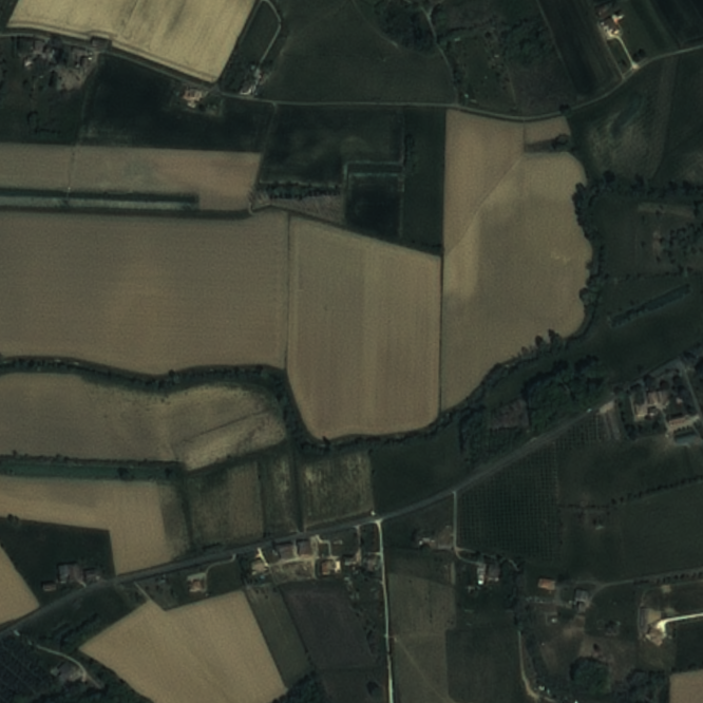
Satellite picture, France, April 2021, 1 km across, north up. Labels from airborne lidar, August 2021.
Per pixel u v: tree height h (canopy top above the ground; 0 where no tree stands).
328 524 0
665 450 0
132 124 0
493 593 0
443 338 0
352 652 0
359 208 0
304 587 0
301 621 0
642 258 0
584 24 0
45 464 9
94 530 0
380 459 0
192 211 0
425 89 0
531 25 14
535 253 0
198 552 0
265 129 0
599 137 0
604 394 21
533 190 0
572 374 23
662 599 0
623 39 0
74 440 0
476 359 0
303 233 0
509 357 0
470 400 9
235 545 0
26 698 14
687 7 0
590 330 12
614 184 24
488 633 0
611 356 0
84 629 10
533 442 0
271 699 0
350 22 0
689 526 0
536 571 0
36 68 10
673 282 0
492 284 0
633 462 0
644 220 9
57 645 6
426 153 0
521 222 0
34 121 9
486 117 0
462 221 0
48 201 0
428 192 0
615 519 0
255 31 0
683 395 15
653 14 0
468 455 13
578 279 0
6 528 0
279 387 10
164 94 0
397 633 0
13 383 0
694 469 0
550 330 0
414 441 16
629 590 0
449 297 0
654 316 0
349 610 0
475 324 0
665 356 0
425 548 10
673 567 0
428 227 0
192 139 0
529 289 0
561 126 0
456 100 0
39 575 0
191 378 11
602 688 20
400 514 0
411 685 0
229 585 0
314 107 0
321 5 0
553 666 0
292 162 0
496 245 0
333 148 0
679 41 0
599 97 0
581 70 0
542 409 20
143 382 9
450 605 0
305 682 9
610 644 0
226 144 0
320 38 0
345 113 0
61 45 16
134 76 0
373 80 0
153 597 0
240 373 15
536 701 0
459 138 0
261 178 0
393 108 0
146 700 10
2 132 0
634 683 15
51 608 0
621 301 0
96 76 0
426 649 0
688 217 0
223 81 7
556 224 0
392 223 0
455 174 0
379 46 0
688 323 0
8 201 0
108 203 0
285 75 0
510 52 16
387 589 0
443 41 13
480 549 0
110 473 0
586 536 0
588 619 0
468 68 6
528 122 0
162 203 0
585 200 26
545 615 0
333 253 0
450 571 0
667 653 0
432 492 0
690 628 0
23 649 12
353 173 0
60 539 0
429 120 0
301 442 10
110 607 0
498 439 8
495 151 0
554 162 0
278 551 15
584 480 0
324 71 0
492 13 0
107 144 0
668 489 8
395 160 0
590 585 0
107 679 16
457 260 0
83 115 0
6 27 0
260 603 0
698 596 0
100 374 6
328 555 0
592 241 18
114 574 0
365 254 0
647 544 0
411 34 9
